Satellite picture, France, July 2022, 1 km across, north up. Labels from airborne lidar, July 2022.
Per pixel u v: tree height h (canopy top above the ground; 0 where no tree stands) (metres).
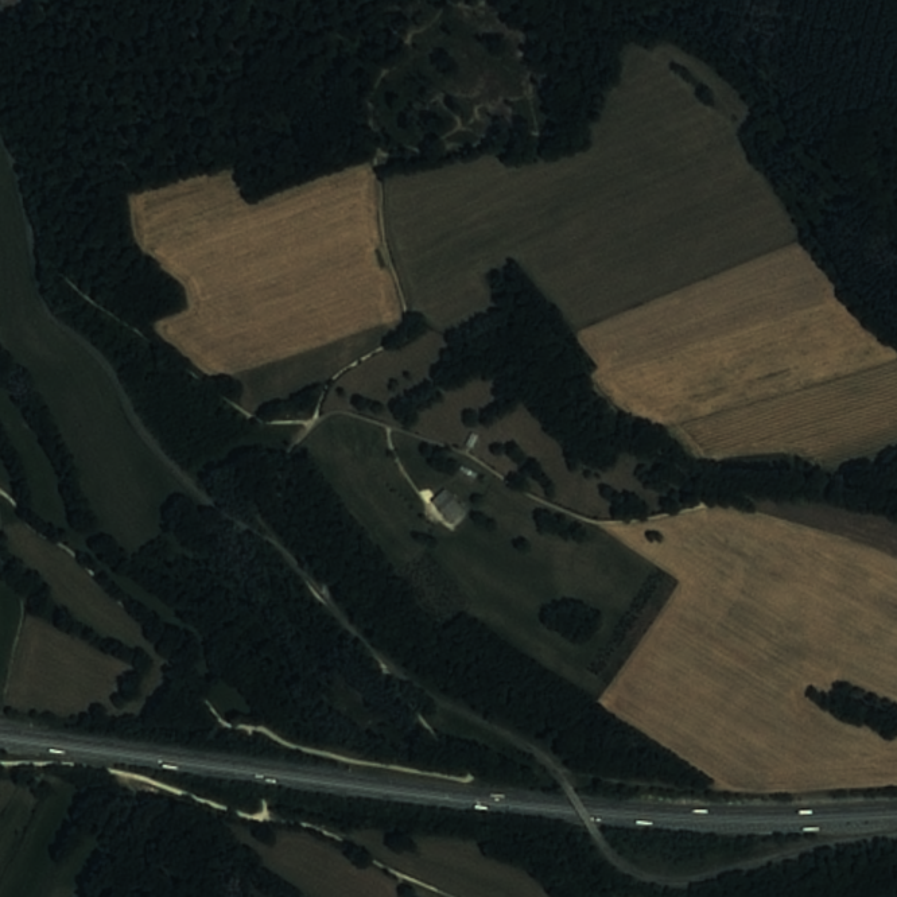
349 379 0
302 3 23
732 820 0
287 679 8
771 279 0
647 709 0
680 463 18
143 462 0
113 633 0
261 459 20
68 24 14
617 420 13
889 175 26
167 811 22
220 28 29
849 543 0
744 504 22
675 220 0
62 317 17
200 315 0
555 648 0
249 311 0
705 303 0
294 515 22
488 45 22
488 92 0
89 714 9
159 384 8
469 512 0
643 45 15
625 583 0
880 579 0
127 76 27
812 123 23
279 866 0
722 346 0
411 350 0
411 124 27
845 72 25
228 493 24
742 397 0
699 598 0
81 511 14
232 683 18
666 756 8
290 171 22
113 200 24
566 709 13
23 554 0
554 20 25
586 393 21
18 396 23
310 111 24
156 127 27
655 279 0
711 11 7
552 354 16
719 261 0
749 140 15
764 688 0
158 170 25
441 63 24
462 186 0
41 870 0
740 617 0
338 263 0
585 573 0
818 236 23
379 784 0
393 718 23
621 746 19
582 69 17
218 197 0
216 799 12
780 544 0
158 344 16
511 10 21
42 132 29
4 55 29
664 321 0
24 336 0
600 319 0
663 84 0
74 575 0
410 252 0
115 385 0
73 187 11
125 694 20
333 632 16
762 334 0
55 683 0
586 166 0
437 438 0
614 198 0
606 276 0
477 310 0
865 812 0
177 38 24
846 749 0
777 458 0
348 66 23
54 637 0
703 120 0
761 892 19
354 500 0
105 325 7
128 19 26
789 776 0
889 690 0
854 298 17
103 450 0
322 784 0
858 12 19
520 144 27
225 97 23
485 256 0
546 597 0
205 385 13
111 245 25
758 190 0
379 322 0
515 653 9
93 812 27
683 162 0
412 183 0
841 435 0
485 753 21
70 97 26
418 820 15
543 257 0
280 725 7
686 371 0
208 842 22
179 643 17
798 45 24
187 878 22
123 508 0
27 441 0
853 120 28
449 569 0
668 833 8
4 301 0
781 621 0
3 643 0
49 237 23
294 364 0
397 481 0
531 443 0
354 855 23
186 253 0
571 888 20
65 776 15
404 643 21
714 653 0
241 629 22
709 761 0
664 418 0
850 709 18
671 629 0
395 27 22
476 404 0
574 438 22
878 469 18
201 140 28
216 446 8
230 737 15
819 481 22
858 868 22
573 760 19
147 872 24
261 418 15
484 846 20
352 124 25
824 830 0
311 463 17
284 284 0
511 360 18
